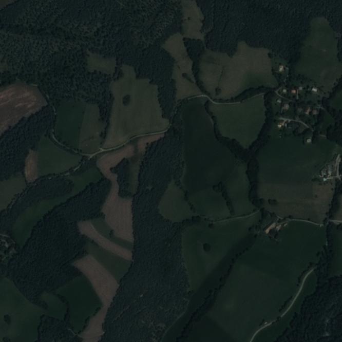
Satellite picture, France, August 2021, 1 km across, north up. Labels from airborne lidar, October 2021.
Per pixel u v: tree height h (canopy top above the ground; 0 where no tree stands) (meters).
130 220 0
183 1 0
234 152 19
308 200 0
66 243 16
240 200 0
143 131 0
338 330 21
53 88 15
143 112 0
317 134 17
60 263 12
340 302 9
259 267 0
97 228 0
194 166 0
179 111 13
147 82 0
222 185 13
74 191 0
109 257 0
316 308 24
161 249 15
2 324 0
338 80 12
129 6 10
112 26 6
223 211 0
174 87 9
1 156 14
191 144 0
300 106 15
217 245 0
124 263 0
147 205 13
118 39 10
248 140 0
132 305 13
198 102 0
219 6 14
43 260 13
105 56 9
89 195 17
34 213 0
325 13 14
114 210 0
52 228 15
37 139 15
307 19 16
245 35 12
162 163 13
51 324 15
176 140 14
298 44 18
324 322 7
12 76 14
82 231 0
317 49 0
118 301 9
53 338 15
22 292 9
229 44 9
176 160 10
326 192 0
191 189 0
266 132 24
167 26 9
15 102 0
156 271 17
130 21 14
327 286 14
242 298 0
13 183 0
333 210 17
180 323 0
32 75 17
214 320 0
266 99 14
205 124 0
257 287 0
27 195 11
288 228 0
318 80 0
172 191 0
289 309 0
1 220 10
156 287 10
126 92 0
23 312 0
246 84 0
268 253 0
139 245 13
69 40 21
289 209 0
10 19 15
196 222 16
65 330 12
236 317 0
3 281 0
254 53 0
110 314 8
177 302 8
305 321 22
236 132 0
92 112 0
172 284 7
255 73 0
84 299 0
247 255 0
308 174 0
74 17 12
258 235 11
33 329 0
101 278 0
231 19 12
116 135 0
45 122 16
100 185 15
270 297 0
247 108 0
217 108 0
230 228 0
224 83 0
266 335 0
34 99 0
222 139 21
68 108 0
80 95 14
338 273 0
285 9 8
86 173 0
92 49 11
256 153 16
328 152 0
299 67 0
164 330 9
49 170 0
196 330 0
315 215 0
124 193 13
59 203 0
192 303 0
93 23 14
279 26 16
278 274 0
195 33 0
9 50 10
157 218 17
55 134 12
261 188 0
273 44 12
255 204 20
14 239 11
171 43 0
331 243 21
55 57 15
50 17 13
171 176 13
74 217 14
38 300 11
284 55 7
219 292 15
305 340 14
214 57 0
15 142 16
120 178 13
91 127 0
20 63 11
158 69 16
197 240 0
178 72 0
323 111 18
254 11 17
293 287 0
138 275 10
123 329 9
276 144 0
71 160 0
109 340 15
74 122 0
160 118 0
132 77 0
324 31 0
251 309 0
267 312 0
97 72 17
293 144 0
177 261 9
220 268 0
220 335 0
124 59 16
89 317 7
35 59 12
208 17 15
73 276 17
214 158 0
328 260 19
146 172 12
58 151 0
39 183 10
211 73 0
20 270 13
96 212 10
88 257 0
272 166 0
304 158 0
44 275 12
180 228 11
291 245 0
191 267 0
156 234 12
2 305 0
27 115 0
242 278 0
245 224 0
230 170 0
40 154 0
